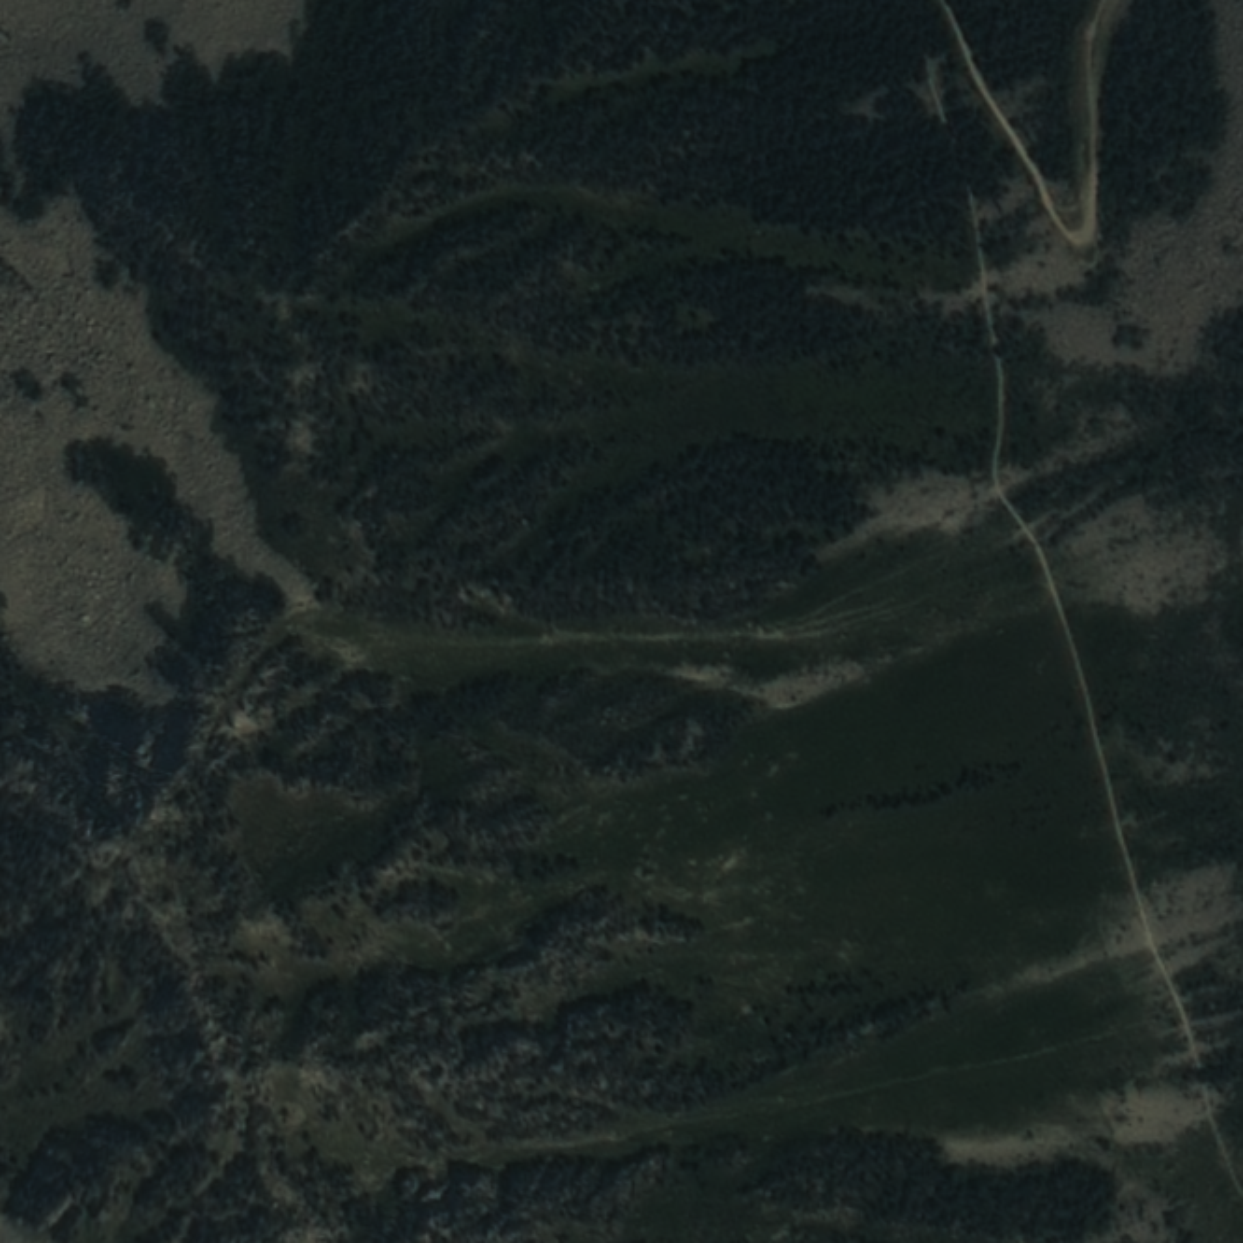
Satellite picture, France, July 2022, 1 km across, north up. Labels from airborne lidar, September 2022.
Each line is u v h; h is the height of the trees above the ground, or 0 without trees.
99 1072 0
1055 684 0
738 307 12
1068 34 9
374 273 8
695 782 0
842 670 0
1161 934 0
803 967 0
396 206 11
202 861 9
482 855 11
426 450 9
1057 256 0
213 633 9
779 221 11
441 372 7
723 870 0
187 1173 12
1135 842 0
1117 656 0
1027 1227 10
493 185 9
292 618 0
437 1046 8
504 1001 7
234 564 0
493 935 0
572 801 0
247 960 10
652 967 0
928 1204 10
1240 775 0
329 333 8
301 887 0
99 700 0
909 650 0
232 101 6
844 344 9
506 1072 8
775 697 0
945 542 0
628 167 15
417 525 0
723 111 20
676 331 17
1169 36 21
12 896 10
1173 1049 0
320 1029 9
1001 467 0
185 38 0
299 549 0
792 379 0
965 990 6
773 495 15
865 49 17
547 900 0
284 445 13
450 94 9
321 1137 0
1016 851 0
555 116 12
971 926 0
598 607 17
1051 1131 0
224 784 10
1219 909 0
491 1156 0
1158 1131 0
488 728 0
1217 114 16
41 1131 0
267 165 9
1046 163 21
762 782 0
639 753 8
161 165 10
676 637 0
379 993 15
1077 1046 0
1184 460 6
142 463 0
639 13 20
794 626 0
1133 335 12
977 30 19
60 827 7
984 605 0
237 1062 0
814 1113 0
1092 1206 15
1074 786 0
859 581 0
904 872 0
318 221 10
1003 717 0
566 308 15
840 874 0
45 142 6
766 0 20
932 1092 0
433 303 7
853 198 10
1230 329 12
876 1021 7
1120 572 0
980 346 11
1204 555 0
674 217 0
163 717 0
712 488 9
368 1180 0
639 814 0
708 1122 0
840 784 0
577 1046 13
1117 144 14
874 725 0
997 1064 0
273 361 12
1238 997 7
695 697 0
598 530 11
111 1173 15
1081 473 8
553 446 10
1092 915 0
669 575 14
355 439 9
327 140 7
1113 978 0
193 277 13
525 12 8
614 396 11
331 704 7
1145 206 9
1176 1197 0
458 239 10
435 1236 9
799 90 13
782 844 0
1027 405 11
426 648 0
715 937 0
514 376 11
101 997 17
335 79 9
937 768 0
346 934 0
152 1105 0
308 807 0
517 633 0
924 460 10
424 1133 9
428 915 16
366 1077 8
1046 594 0
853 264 0
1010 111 0
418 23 12
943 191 20
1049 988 0
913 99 18
